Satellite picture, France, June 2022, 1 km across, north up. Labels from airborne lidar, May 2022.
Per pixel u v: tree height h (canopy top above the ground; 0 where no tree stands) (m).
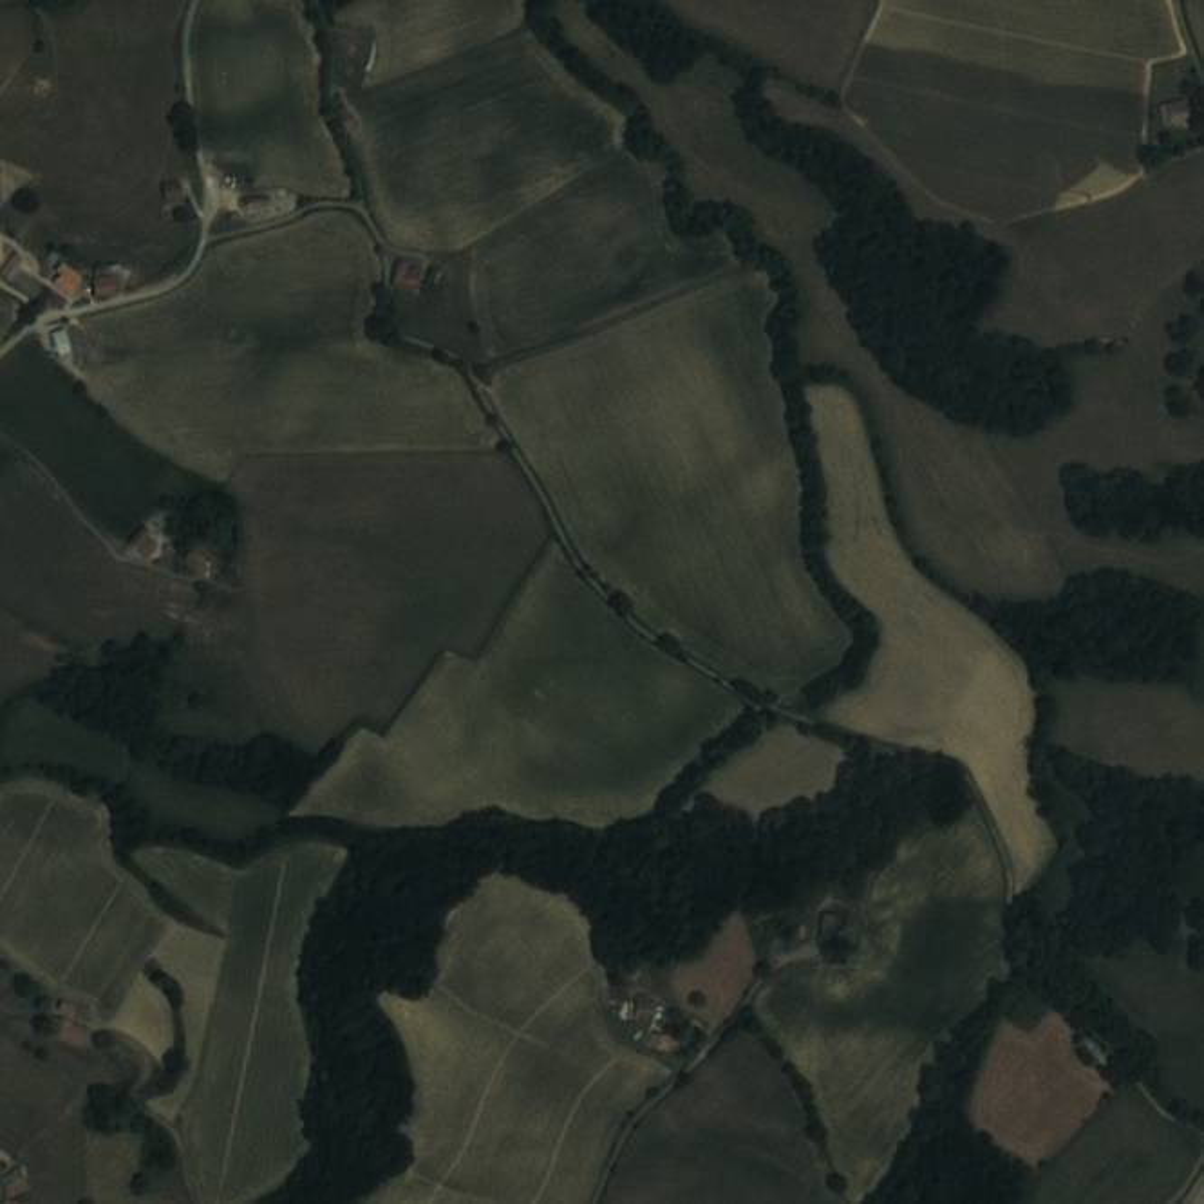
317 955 22
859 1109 0
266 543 0
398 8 0
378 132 0
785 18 0
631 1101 0
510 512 0
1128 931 25
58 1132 0
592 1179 0
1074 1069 0
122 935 0
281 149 0
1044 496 0
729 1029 7
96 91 0
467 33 0
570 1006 0
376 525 0
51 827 0
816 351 0
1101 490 20
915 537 0
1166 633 16
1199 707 0
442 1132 0
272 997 0
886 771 19
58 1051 0
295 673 0
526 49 0
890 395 0
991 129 0
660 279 0
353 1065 22
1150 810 29
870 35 0
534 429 0
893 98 0
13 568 0
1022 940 25
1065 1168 0
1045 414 19
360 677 0
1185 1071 0
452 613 0
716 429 0
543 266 0
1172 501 13
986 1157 11
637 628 0
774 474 0
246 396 0
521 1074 0
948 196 0
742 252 20
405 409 0
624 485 0
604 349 0
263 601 0
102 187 0
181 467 0
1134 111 0
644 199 0
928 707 0
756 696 19
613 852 23
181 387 0
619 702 0
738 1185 0
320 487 0
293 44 0
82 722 17
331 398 0
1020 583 0
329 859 0
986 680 0
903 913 0
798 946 0
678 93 0
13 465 0
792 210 0
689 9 0
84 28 0
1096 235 0
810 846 21
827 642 0
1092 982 21
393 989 17
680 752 0
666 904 25
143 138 0
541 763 0
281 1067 0
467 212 0
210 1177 0
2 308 0
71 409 0
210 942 0
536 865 25
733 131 0
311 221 0
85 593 0
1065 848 7
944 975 0
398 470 0
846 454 0
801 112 0
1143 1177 0
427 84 0
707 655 0
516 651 0
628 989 0
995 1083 0
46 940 0
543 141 0
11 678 0
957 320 12
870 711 0
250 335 0
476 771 0
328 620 0
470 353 0
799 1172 0
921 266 19
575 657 0
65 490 0
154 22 0
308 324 0
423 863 20
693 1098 0
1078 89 0
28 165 0
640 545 0
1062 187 0
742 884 19
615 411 0
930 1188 25
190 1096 0
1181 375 13
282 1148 0
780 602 0
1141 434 0
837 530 0
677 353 0
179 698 0
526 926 0
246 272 0
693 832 21
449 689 0
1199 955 20
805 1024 0
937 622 0
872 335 24
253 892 0
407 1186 0
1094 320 0
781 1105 0
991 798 0
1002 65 0
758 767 0
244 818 0
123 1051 0
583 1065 0
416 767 0
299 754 18
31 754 0
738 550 0
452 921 0
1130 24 0
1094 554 0
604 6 17
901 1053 0
